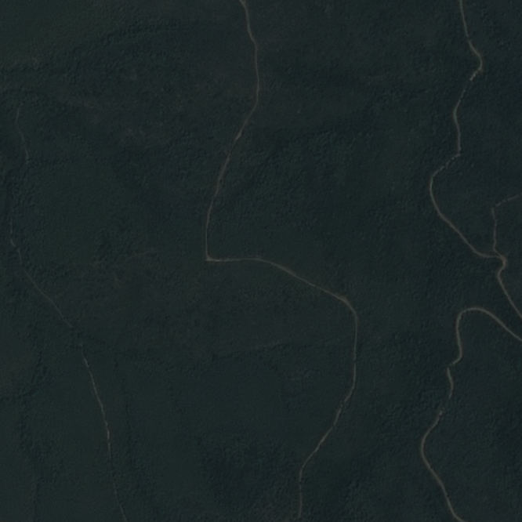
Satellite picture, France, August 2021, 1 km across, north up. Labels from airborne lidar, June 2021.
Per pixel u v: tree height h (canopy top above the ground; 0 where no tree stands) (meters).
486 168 7
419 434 6
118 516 6
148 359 7
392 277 6
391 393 6
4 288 9
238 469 6
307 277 5
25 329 13
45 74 7
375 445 8
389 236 8
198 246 6
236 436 7
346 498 12
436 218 10
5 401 12
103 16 6
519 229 9
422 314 6
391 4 6
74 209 8
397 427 8
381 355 6
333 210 7
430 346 8
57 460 8
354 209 9
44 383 6
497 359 6
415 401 10
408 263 6
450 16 6
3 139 9
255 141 6
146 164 7
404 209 8
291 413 6
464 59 6
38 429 7
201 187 7
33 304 7
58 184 10
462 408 7
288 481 6
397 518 6
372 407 9
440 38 8
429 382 10
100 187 7
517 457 8
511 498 7
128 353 8
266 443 7
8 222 8
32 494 7
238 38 0
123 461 7
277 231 6
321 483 7
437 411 6
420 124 9
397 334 8
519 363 8
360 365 5
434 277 8
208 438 6
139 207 5
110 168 8
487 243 6
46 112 7
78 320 6
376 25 9
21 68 9
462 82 7
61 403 6
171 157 6
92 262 5
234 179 6
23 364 6
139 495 6
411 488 5
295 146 9
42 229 7
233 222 6
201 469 8
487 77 11
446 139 9
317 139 10
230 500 7
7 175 8
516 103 9
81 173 10
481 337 5
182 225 6
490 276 11
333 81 8
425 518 8
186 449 8
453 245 8
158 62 7
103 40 8
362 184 5
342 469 8
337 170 6
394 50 6
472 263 8
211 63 0
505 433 13
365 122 8
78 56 8
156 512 7
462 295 6
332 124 8
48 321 9
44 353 9
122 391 6
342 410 6
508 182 6
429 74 6
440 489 6
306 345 7
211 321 6
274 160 10
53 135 7
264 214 8
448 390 7
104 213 8
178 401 7
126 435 9
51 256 6
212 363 8
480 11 10
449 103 8
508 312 8
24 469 6
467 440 6
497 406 7
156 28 7
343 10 6
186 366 8
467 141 6
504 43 8
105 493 5
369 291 7
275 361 5
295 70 6
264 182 9
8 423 5
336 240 7
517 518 6
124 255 6
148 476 6
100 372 7
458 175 7
